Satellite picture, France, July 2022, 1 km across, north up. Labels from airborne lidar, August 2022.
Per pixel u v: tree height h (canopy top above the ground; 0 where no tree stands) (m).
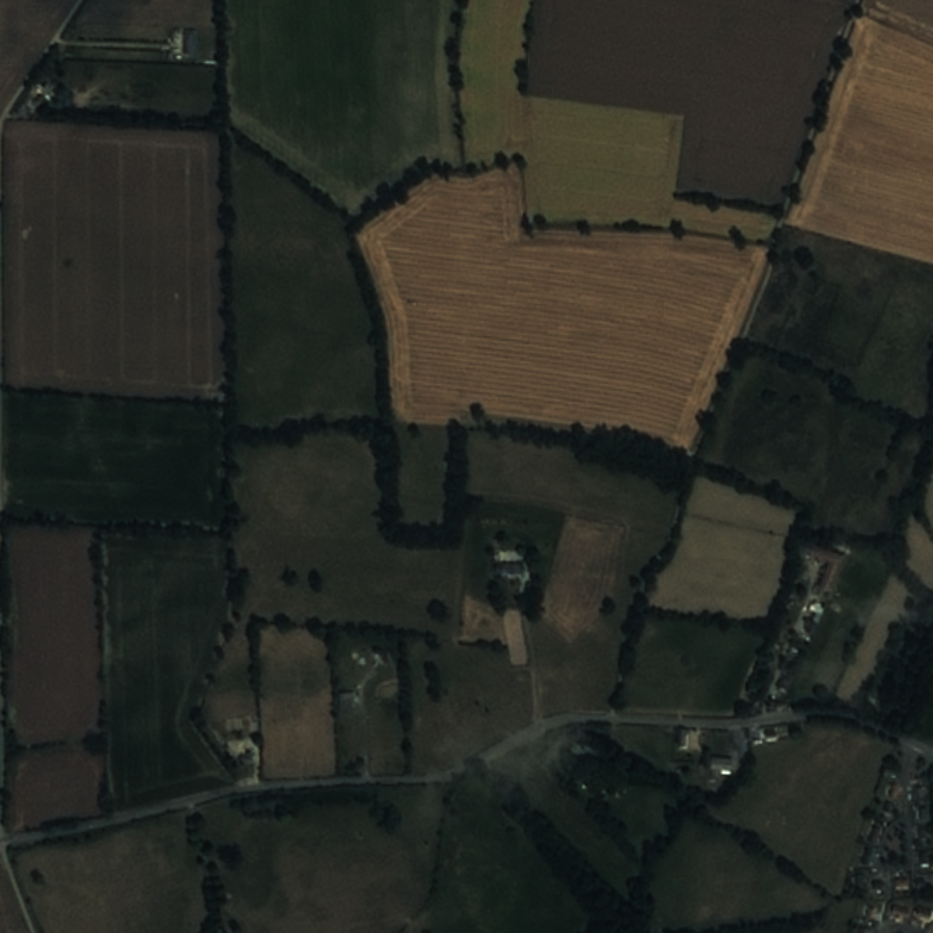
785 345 0
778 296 0
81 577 0
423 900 0
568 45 0
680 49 0
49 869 0
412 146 0
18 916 0
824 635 0
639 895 20
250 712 0
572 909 0
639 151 0
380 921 0
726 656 0
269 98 0
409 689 10
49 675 0
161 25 0
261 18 0
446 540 17
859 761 0
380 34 0
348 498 0
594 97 0
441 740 0
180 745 0
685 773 10
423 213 0
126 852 0
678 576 0
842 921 0
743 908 0
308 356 0
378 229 0
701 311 0
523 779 0
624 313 0
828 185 0
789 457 0
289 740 0
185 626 0
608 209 0
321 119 0
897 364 0
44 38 0
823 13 0
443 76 0
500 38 0
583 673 0
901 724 12
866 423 0
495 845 0
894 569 26
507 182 0
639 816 0
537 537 0
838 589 0
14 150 0
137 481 0
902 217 0
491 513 0
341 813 0
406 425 0
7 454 0
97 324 0
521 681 0
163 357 0
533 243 0
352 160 0
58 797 0
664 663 0
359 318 0
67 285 0
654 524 0
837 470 0
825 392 0
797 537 15
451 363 0
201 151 0
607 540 0
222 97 18
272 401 0
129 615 0
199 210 0
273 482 0
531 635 0
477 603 0
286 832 0
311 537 0
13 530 13
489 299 0
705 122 0
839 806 0
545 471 0
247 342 0
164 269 0
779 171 0
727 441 0
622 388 0
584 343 0
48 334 0
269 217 0
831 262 0
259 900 0
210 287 0
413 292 0
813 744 0
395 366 0
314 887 0
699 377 0
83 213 0
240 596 20
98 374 0
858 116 0
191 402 9
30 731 0
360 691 0
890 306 0
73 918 0
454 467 20
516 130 0
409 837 0
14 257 0
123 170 0
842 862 0
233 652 0
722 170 0
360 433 23
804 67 0
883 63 0
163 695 0
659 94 0
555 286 0
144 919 0
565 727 6
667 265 0
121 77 0
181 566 0
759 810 0
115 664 0
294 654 0
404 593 0
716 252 0
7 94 0
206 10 0
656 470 24
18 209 0
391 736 0
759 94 0
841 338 0
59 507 0
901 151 0
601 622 0
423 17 0
